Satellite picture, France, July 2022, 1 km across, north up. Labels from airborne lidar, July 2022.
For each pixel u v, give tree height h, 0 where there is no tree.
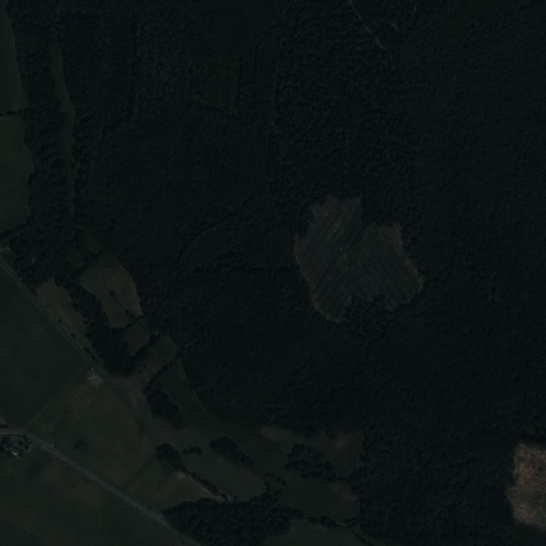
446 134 25
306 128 15
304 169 14
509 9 25
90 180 23
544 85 24
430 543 24
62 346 0
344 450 0
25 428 0
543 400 24
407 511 17
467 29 27
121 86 7
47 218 17
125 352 24
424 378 25
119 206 22
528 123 21
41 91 23
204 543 16
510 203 22
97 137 22
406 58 18
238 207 18
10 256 0
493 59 20
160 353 0
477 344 24
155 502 0
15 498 0
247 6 22
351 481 14
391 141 8
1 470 0
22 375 0
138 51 15
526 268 24
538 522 0
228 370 25
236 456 18
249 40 22
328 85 12
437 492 22
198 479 14
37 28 18
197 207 22
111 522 0
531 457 0
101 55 28
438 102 23
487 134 18
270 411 26
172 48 27
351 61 10
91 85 22
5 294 0
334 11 10
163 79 20
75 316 0
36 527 0
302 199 13
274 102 8
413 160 18
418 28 19
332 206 0
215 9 22
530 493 0
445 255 25
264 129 21
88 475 0
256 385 23
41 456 0
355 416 26
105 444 0
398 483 22
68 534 0
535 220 21
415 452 17
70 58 24
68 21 23
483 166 21
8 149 0
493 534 22
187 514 21
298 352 19
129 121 21
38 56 13
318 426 21
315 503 0
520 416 24
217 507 24
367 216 17
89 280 0
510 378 27
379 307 16
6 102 0
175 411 21
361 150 9
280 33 20
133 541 0
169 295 20
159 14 21
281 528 24
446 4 16
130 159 21
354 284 0
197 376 25
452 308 28
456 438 23
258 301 21
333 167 11
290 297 20
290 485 0
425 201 25
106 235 24
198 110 22
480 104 20
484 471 18
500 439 22
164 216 24
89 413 0
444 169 25
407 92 18
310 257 0
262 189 22
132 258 25
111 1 24
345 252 0
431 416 23
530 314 24
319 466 8
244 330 21
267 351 22
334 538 0
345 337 22
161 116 22
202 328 19
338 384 24
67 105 0
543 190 21
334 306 0
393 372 27
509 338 27
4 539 0
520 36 23
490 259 29
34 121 18
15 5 22
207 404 21
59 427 0
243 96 16
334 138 16
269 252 19
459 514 21
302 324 23
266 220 21
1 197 0
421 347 27
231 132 22
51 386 0
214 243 21
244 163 25
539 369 25
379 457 22
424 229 24
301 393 27
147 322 14
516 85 20
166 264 24
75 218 6
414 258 20
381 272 0
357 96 14
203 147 23
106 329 29
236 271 20
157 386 15
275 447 0
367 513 23
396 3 9
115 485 0
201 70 8
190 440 0
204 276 17
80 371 0
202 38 23
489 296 26
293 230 18
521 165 22
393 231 0
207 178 23
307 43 18
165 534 0
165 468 0
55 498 0
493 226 24
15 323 0
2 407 0
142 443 0
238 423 21
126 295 0
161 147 19
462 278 25
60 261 17
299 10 20
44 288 0
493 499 22
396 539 22
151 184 23
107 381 0
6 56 0
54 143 19
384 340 24
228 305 24
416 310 20
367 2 14
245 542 26
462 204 22
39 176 20
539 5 24
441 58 19
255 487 0
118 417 0
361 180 17
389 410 24
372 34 9
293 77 10
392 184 12
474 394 26
